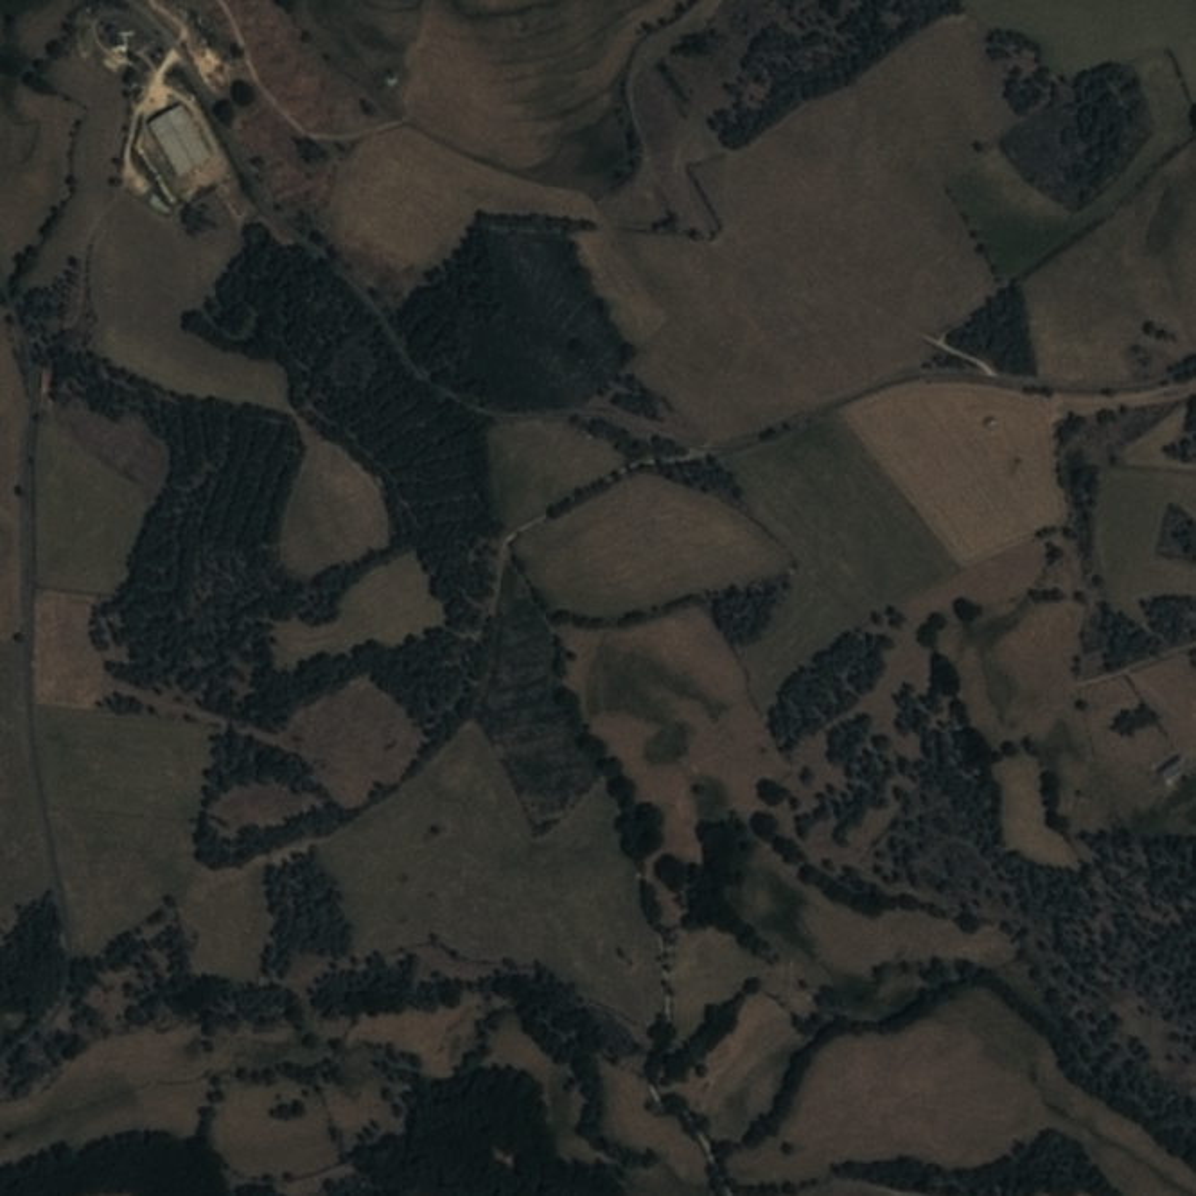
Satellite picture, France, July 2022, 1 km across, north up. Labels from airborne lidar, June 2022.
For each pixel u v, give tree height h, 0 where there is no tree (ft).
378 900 0
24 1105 0
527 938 0
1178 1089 0
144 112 0
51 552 0
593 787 0
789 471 0
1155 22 0
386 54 0
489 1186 53
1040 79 37
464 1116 78
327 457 0
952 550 0
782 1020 0
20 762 0
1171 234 0
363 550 0
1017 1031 0
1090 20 0
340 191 0
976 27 0
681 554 0
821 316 0
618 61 0
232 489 38
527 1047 0
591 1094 62
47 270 0
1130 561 0
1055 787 40
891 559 0
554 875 0
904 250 0
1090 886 70
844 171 0
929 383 0
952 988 55
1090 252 0
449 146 0
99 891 0
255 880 0
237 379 0
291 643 0
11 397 0
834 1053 0
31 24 0
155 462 0
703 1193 0
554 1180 79
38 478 0
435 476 44
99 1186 48
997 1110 0
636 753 0
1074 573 0
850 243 0
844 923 0
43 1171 50
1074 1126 0
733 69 0
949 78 0
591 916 0
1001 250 0
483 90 0
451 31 0
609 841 0
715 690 0
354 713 0
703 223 0
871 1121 0
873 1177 63
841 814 53
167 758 0
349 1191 22
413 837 0
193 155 0
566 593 0
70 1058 50
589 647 0
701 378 0
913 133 0
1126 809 0
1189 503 0
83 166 0
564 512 56
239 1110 0
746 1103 0
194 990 52
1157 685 0
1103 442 0
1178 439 0
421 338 73
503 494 0
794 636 0
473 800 0
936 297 0
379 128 0
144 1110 0
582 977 0
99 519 0
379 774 0
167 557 44
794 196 0
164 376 0
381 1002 53
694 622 0
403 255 0
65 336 30
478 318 49
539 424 0
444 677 64
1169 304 0
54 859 0
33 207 0
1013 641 0
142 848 0
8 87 0
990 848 50
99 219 0
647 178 0
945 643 0
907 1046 0
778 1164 0
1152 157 0
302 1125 0
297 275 41
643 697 0
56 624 0
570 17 0
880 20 47
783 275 0
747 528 0
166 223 0
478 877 0
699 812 0
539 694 0
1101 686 0
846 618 0
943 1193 23
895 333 0
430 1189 36
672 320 0
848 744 39
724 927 52
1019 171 0
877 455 0
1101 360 0
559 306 0
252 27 0
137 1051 0
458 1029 0
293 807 0
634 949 0
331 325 40
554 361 0
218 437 35
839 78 47
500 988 63
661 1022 33
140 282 0
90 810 0
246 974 0
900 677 0
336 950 43
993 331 41
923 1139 0
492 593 45
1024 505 0
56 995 44
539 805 0
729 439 0
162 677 33
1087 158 23
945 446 0
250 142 0
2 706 0
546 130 0
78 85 0
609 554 0
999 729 0
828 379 0
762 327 0
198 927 0
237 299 66
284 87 0
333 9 0
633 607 0
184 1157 51
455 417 52
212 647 28
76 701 0
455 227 0
